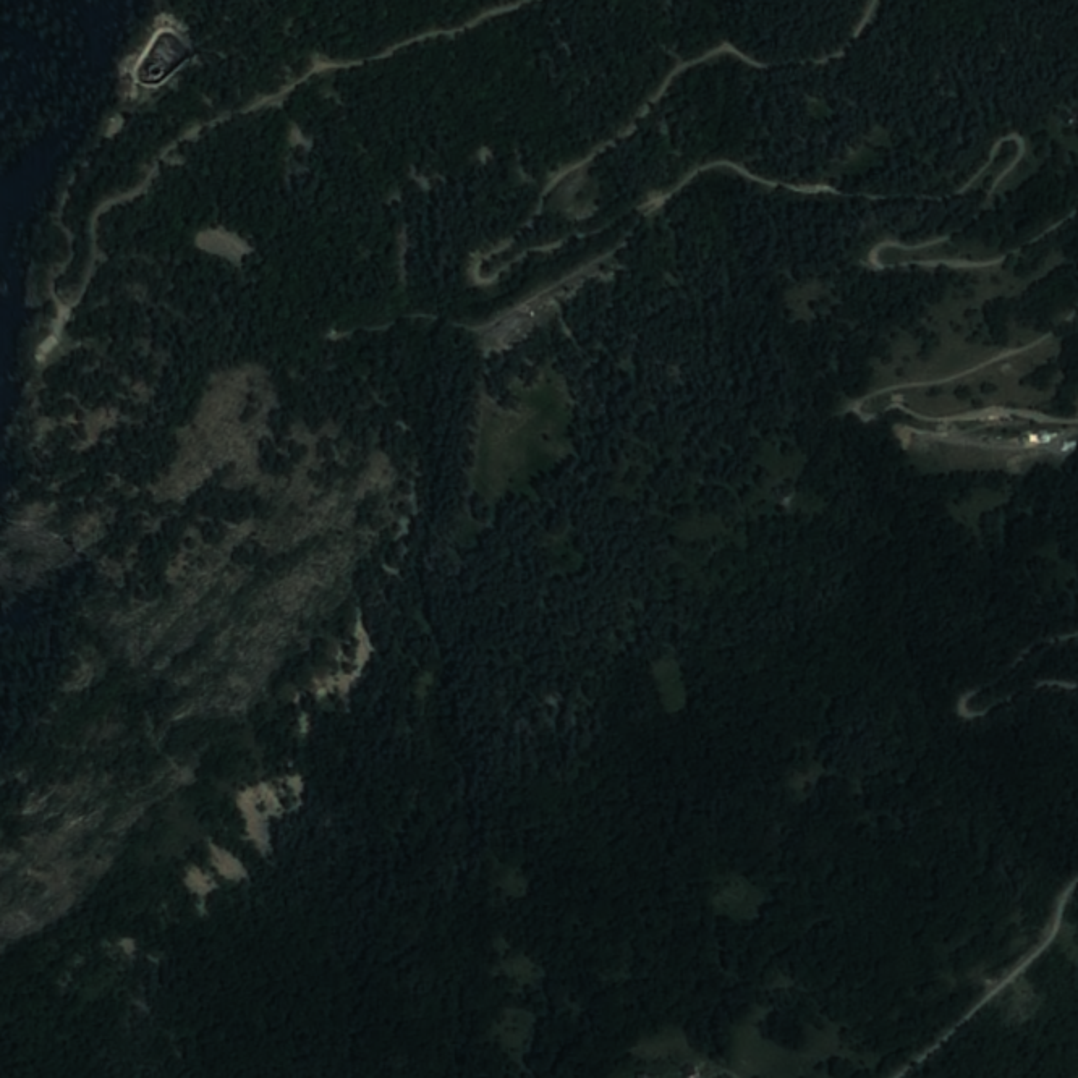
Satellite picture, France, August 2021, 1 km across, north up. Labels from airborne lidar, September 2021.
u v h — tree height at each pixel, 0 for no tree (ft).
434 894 40
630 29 51
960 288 31
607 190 38
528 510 92
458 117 51
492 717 27
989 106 94
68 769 34
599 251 28
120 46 57
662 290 57
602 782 35
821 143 84
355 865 65
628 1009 42
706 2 43
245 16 54
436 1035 78
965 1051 85
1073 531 82
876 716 58
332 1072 74
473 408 73
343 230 56
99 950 35
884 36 56
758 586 46
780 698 55
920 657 82
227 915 55
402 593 82
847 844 84
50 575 24
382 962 87
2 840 21
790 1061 0
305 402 38
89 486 54
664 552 66
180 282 50
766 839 55
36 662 40
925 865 89
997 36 78
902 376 27
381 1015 88
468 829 71
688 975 60
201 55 31
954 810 49
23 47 49
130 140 39
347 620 33
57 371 26
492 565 90
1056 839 88
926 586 69
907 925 71
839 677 63
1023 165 22
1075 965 29
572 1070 82
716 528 0
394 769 80
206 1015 48
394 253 58
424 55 55
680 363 94
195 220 59
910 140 48
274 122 40
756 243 89
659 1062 19
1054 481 75
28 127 56
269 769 25
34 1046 65
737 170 0
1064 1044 31
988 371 0
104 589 23
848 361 62
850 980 54
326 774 69
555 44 97
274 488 0
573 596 66
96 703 72
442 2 51
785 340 41
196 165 51
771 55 51
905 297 53
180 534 49
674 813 86
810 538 58
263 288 58
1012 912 30
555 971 81
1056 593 19
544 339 51
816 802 37
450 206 87
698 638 44
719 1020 77
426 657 75
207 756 47
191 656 47
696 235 75
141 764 44
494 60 46
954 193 33
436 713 47
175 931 47
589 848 70
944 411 0
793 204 34
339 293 68
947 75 63
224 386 0
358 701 63
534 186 21
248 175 45
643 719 96
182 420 40
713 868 96
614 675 56
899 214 91
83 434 57
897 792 73
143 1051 58
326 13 48
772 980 59
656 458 34
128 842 24
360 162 53
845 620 65
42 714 32
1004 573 52
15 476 133
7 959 62
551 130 58
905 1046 24
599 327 94
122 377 26
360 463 21
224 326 45
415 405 37
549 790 68
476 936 49
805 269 96
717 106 62
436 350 77
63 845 28
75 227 49
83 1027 66
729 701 89
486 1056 64
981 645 75
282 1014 73
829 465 62
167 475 20
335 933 70
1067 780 75
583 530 66
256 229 44
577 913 93
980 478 37
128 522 72
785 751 62
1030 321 49
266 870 59
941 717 59
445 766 52
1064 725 84
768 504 34
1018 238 40
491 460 0
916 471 36
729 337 39
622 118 68
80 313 29
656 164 68
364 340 60
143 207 67
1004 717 65
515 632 91
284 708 20
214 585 0
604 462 90
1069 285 59
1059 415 21
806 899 71
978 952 62
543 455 0
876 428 53
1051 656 68
